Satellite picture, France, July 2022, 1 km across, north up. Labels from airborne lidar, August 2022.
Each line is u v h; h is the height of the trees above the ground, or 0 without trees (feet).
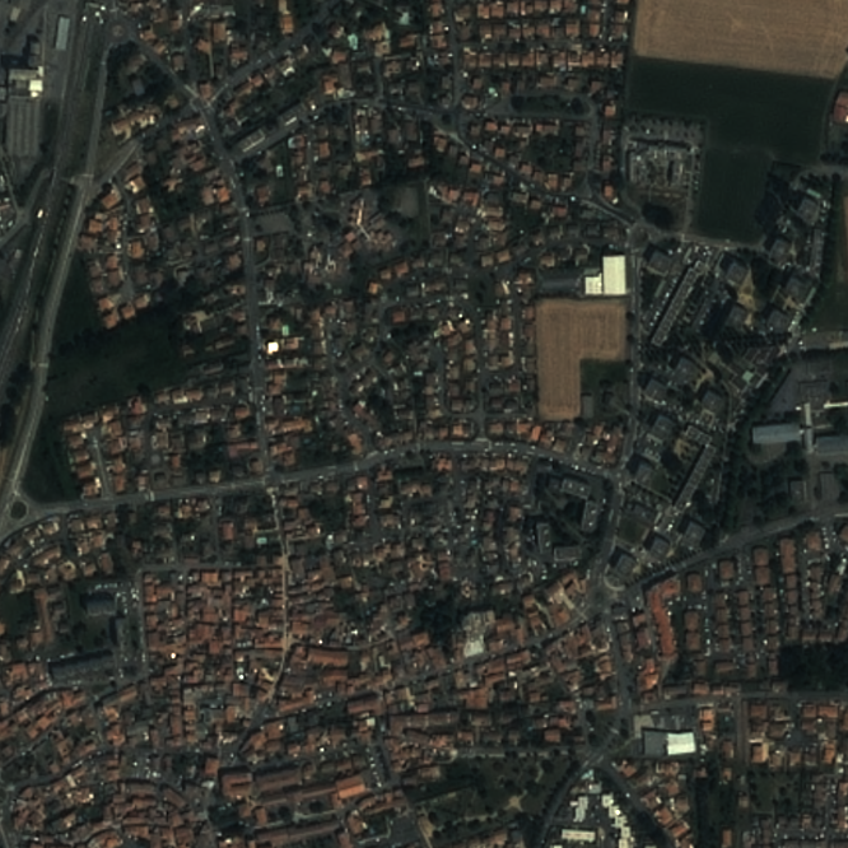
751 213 0
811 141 0
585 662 29
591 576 0
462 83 0
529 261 0
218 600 0
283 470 22
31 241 0
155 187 21
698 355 26
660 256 0
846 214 0
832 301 0
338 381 0
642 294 22
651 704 0
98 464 0
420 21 37
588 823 0
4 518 0
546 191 0
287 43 0
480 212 0
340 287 0
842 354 31
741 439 46
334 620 0
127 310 0
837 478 26
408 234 0
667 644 0
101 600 0
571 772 35
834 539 0
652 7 0
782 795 21
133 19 0
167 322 28
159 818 0
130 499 0
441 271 0
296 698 0
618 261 0
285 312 19
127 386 0
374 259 36
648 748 0
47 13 0
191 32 26
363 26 34
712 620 21
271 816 33
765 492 40
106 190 26
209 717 0
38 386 0
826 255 45
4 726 0
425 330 23
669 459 70
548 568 28
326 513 22
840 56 0
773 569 35
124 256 0
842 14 0
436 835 33
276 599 0
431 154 29
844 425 49
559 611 0
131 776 0
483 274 0
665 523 0
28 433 0
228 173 0
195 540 0
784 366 26
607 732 18
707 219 0
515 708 27
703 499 73
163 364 0
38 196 0
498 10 0
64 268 0
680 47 0
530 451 0
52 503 0
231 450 0
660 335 0
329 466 0
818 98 0
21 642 0
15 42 0
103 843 0
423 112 0
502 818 37
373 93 28
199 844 0
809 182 27
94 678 0
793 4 0
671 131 0
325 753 0
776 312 0
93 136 0
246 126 24
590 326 0
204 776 0
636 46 0
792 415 48
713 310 20
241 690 0
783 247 0
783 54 0
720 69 0
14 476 0
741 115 0
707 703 0
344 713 18
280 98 0
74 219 0
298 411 0
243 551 22
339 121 39
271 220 0
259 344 0
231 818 36
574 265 30
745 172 0
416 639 0
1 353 0
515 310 0
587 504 0
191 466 21
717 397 0
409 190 0
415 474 30
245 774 0
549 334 0
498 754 0
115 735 0
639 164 0
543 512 25
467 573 0
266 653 0
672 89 0
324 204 30
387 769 23
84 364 0
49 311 0
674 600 0
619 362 0
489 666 0
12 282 0
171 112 25
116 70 27
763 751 0
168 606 0
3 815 0
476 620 0
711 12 0
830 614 30
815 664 34
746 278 0
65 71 0
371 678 0
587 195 0
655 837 68
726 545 0
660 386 0
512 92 32
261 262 0
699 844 29
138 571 0
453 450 0
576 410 0
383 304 0
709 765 20
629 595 0
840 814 0
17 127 0
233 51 0
